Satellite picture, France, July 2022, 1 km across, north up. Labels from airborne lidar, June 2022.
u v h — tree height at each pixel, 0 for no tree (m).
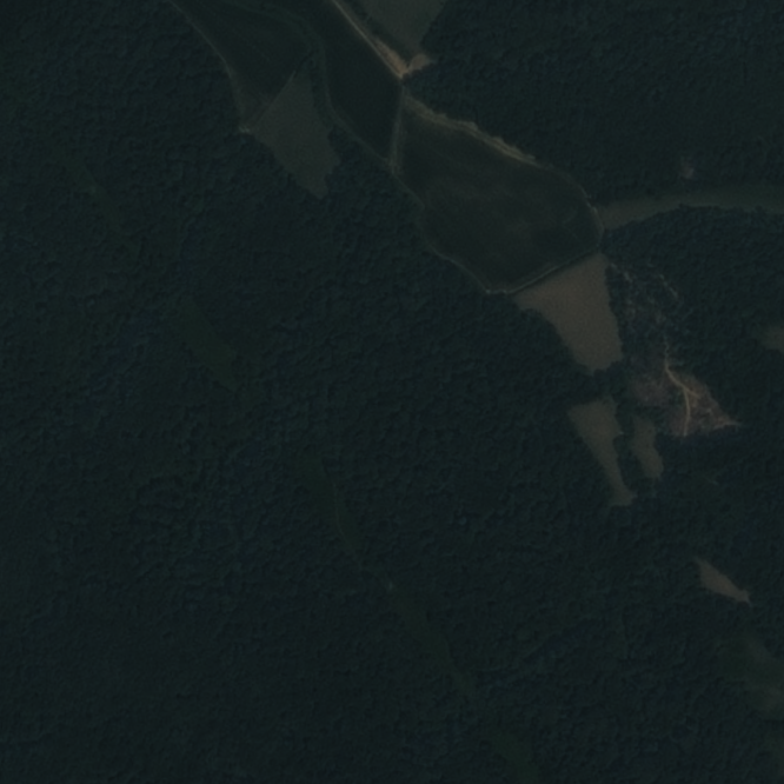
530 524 27
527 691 25
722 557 20
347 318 23
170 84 30
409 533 26
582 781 24
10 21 17
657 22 31
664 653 29
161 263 24
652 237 11
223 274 33
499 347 25
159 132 26
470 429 25
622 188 27
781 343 0
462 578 27
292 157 0
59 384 32
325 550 25
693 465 20
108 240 16
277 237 29
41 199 30
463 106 21
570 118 23
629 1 26
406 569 25
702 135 29
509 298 9
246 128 0
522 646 26
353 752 26
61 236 28
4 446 23
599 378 17
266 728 24
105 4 22
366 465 26
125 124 15
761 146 22
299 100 0
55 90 23
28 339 23
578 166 26
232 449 25
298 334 36
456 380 27
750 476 23
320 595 25
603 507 24
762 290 29
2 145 35
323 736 22
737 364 30
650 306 29
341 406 28
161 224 27
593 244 0
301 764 24
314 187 0
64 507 25
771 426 31
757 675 0
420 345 23
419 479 32
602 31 28
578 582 13
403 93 0
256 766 20
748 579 24
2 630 15
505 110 22
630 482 18
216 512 12
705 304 11
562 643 27
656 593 12
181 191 23
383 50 0
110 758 21
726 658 0
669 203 0
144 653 23
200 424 28
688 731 28
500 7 24
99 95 16
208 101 29
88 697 20
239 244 20
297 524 27
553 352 21
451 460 22
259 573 29
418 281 21
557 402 27
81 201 25
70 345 34
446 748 24
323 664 23
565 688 24
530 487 26
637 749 24
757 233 27
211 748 14
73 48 21
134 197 24
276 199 32
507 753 0
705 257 25
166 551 29
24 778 28
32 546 23
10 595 20
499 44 24
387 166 0
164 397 31
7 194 37
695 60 32
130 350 33
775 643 19
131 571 25
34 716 13
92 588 24
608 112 23
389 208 23
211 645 22
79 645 21
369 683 28
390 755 29
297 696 26
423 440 25
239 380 10
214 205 34
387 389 29
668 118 27
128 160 19
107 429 29
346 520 0
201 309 14
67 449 28
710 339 15
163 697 21
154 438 31
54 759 20
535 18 27
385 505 26
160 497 32
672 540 17
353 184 21
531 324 19
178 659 23
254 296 29
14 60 15
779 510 31
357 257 25
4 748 25
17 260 31
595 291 0
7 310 22
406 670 25
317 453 13
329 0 0
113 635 23
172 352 31
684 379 27
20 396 31
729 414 30
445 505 32
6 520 22
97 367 11
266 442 16
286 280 30
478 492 27
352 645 24
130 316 25
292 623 25
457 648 22
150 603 24
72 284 30
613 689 26
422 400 27
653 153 31
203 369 10
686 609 25
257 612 27
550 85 27
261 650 23
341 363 25
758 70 27
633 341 31
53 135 6
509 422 22
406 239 22
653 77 26
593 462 17
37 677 20
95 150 23
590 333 0
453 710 30
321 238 29
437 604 22
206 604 27
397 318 27
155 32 17
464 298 24
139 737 21
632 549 16
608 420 0
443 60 9
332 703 25
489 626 25
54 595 18
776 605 27
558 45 12
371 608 29
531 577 34
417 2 0
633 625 19
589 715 27
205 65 15
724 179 28
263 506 26
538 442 32
